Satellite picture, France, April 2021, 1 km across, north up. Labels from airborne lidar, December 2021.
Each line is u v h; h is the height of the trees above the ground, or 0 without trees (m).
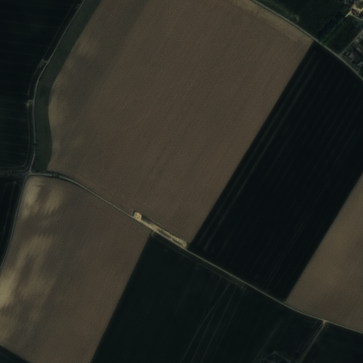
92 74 0
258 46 0
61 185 0
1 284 0
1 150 0
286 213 0
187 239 0
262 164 0
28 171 0
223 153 0
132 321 0
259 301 0
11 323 0
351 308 0
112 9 0
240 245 0
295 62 0
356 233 0
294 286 0
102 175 0
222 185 0
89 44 0
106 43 0
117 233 0
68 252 0
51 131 0
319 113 0
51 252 0
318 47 0
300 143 0
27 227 0
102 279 0
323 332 0
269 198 0
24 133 0
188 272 0
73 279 0
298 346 0
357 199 0
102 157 0
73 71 0
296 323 0
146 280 0
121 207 0
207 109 0
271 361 17
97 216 0
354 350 0
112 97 0
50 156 0
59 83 0
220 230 0
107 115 0
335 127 0
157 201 0
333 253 0
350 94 0
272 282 0
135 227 0
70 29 0
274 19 0
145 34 0
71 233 0
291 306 0
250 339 0
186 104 0
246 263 0
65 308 0
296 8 0
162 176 0
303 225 0
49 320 0
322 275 0
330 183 0
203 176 0
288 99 0
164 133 0
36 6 0
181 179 0
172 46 0
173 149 0
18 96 0
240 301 0
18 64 0
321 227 0
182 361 0
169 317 0
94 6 0
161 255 0
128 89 0
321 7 0
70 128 0
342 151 0
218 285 0
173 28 0
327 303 0
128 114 0
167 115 0
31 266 0
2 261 0
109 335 0
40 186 0
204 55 0
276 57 0
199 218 0
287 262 0
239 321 0
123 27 0
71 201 0
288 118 0
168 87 0
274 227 0
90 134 0
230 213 0
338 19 17
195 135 0
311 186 0
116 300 0
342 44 0
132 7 0
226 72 0
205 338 0
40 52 0
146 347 0
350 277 0
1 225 0
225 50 0
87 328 0
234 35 0
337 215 0
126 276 0
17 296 0
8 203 0
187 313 0
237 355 0
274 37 0
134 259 0
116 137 0
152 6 0
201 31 0
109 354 0
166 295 0
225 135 0
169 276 0
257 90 0
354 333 0
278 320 0
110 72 0
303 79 0
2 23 0
